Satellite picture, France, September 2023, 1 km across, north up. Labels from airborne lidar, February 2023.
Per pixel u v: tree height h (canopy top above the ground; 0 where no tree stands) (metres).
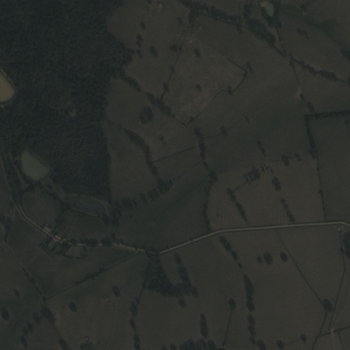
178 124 0
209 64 0
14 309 0
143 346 0
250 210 0
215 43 0
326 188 0
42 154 12
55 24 18
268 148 0
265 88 0
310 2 0
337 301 0
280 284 0
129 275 0
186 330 0
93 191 15
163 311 0
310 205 0
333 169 0
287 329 0
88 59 20
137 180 0
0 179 0
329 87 0
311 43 0
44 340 0
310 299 0
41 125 11
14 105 15
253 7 0
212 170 0
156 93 0
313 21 0
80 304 0
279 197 0
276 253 0
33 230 0
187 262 0
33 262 0
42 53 20
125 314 0
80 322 0
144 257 0
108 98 0
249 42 0
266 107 0
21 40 19
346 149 0
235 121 0
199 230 0
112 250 0
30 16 19
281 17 0
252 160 0
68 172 12
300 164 0
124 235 0
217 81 0
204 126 0
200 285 0
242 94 0
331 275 0
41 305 0
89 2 20
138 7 0
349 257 13
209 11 14
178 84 0
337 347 0
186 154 0
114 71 20
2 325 0
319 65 0
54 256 0
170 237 0
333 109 0
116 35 0
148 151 21
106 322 0
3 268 0
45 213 0
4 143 21
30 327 19
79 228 0
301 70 0
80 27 15
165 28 0
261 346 20
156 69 0
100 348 0
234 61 0
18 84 17
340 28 0
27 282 0
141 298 0
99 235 0
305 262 0
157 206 0
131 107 0
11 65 21
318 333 0
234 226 0
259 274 0
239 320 0
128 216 0
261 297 0
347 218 0
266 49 0
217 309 0
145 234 0
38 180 0
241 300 0
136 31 0
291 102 0
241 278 0
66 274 0
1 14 20
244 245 0
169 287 25
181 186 0
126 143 0
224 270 0
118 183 0
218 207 0
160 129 0
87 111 8
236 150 0
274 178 0
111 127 0
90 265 0
